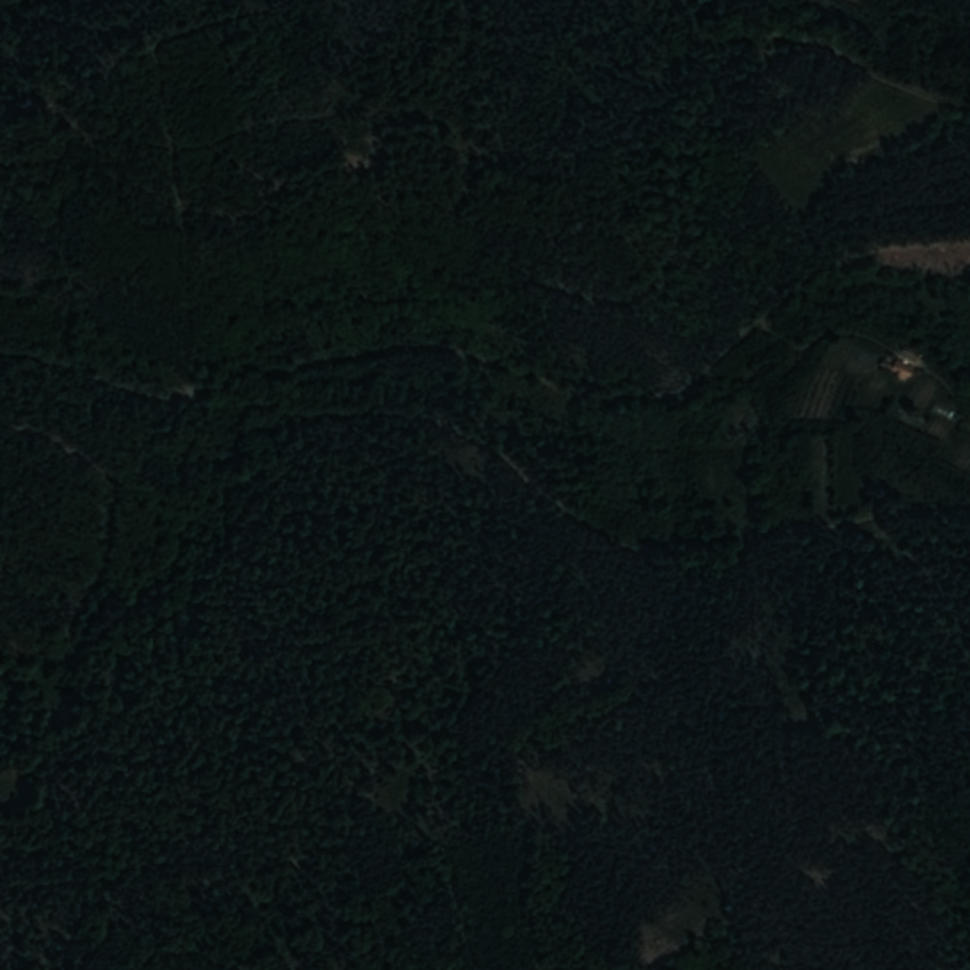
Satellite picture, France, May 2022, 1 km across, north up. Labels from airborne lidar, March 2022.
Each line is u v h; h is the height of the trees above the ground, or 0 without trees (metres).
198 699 33
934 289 17
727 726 25
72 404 14
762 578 26
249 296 21
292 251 18
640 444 23
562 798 0
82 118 10
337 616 25
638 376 27
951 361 26
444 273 21
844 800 27
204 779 31
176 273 11
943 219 28
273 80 6
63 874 26
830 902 26
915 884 30
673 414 23
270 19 10
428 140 31
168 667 29
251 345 20
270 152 9
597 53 30
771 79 30
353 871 21
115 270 11
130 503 19
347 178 29
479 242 21
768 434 19
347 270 19
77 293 21
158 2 11
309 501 25
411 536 29
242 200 9
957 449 0
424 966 16
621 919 25
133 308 18
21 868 28
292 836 25
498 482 26
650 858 27
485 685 26
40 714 27
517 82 28
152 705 31
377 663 30
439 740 28
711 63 30
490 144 8
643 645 27
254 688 27
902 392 0
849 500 0
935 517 26
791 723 0
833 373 0
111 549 18
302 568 27
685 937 0
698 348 29
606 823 25
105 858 28
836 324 12
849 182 25
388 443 33
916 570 33
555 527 25
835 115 10
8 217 21
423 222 14
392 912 14
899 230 26
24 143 27
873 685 20
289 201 23
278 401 29
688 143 34
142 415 25
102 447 22
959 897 23
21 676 28
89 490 20
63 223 22
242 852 19
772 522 27
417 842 8
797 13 20
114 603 34
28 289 17
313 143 9
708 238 25
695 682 29
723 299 32
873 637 33
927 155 23
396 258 20
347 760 30
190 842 29
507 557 27
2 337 15
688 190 29
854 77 20
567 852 26
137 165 10
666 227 22
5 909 25
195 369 26
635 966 17
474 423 26
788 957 16
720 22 30
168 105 10
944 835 22
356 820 24
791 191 0
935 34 6
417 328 16
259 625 12
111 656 16
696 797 26
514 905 13
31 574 24
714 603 23
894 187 22
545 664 29
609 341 24
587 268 22
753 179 26
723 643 32
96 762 33
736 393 18
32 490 17
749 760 21
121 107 9
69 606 25
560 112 10
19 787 0
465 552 23
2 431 13
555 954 22
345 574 22
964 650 9
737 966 16
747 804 21
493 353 18
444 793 13
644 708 28
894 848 16
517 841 11
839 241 26
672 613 30
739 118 32
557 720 27
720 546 20
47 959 29
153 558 22
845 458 0
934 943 28
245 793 26
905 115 0
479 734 32
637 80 32
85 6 25
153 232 11
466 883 13
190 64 9
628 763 28
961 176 26
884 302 15
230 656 24
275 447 29
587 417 25
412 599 31
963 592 24
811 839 24
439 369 26
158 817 29
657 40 31
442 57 12
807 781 29
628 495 16
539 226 21
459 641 22
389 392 24
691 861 24
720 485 0
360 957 29
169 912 16
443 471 25
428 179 28
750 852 22
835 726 28
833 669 31
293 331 19
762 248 20
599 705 24
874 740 22
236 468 26
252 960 24
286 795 24
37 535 17
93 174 15
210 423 13
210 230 10
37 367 12
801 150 0
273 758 27
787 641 22
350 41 18
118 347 9
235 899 25
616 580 29
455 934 13
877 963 28
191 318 15
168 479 21
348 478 31
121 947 11
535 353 17
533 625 29
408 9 6
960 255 0
